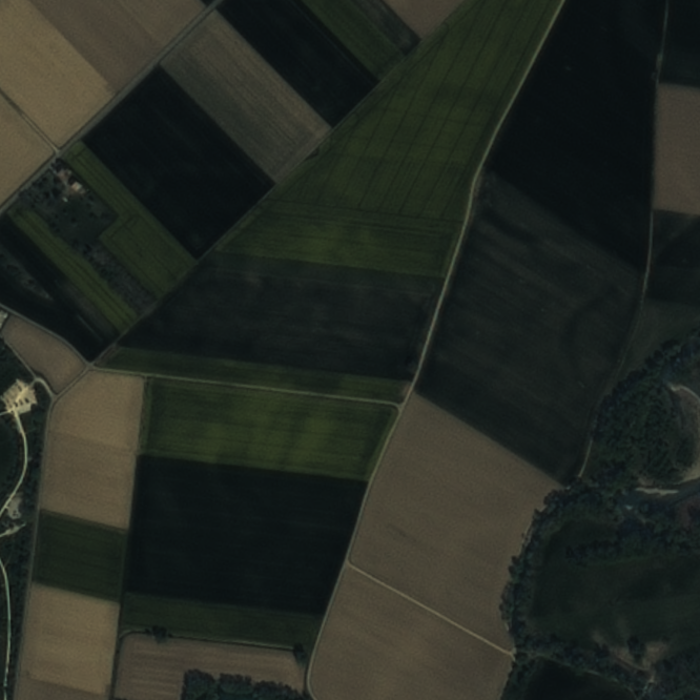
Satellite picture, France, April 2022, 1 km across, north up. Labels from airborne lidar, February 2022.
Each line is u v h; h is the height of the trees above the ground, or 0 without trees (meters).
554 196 0
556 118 0
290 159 0
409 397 0
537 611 0
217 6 0
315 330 0
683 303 0
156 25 0
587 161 0
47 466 0
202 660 0
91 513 0
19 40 0
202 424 0
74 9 0
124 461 0
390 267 0
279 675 0
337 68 0
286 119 0
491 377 0
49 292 0
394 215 0
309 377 0
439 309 0
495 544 0
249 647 0
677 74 0
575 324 0
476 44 0
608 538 0
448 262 0
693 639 0
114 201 0
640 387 21
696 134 0
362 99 0
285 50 0
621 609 0
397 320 0
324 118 0
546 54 0
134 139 0
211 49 0
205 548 0
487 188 0
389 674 0
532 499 0
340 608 0
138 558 0
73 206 0
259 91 0
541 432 0
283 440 0
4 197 0
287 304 0
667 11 0
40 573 0
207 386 0
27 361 0
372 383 0
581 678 0
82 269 0
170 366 0
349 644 0
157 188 0
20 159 0
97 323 0
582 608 0
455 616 0
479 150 0
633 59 0
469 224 0
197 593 0
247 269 0
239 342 0
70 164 0
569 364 0
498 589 0
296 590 0
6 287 0
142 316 0
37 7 0
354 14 0
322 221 0
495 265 0
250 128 0
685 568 0
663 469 0
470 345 0
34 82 0
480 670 0
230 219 0
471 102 0
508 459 0
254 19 0
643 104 0
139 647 0
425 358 0
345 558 0
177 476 0
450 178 0
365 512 0
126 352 0
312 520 0
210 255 0
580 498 22
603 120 0
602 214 0
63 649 0
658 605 0
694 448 0
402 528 0
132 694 0
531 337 0
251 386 0
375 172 0
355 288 0
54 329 0
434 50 0
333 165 0
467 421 0
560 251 0
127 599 0
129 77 0
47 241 0
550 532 18
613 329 0
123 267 7
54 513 0
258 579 0
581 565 15
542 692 0
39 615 0
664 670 15
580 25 0
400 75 0
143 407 0
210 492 0
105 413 0
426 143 0
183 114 0
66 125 0
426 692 0
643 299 0
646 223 0
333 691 0
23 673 0
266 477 0
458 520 0
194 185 0
